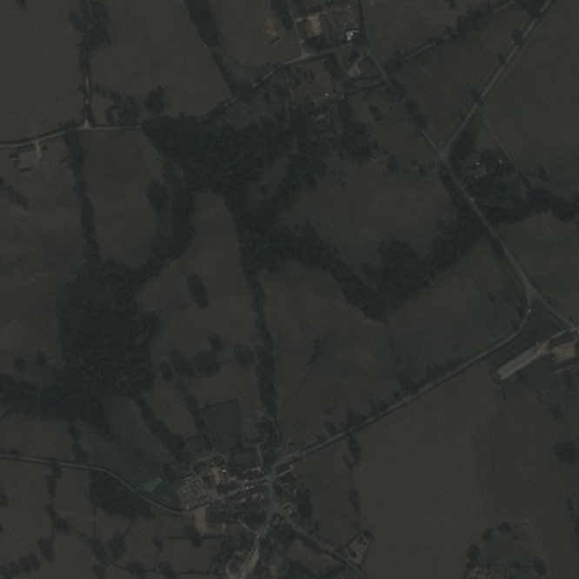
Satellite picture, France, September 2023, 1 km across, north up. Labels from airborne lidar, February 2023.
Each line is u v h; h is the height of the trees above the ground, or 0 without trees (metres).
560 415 21
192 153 24
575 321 0
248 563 0
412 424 0
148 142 0
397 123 0
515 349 0
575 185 0
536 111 0
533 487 0
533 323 0
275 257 14
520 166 0
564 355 0
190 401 21
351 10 0
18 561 0
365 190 0
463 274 0
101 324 17
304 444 0
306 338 0
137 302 0
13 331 0
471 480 0
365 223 0
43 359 17
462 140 8
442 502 0
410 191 0
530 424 0
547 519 0
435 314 0
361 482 0
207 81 0
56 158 0
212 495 0
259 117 0
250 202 0
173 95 0
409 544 0
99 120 0
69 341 21
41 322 0
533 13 14
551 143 0
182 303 0
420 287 17
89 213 16
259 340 19
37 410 25
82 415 19
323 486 0
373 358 0
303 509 19
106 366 19
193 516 0
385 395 0
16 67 0
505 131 0
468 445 0
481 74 0
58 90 0
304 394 0
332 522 0
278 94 17
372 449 0
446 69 0
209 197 0
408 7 0
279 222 0
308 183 19
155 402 0
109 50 0
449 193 15
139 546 0
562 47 0
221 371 0
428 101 0
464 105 0
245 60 0
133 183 0
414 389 13
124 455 0
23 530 0
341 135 0
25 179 0
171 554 0
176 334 0
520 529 0
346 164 0
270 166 0
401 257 12
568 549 0
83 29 21
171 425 0
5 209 0
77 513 0
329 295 0
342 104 12
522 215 15
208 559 0
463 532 0
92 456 0
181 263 0
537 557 0
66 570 0
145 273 20
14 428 0
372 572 0
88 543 0
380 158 0
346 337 0
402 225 0
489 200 16
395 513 0
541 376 0
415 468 0
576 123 0
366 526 0
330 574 13
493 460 0
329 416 0
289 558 0
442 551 0
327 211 0
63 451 0
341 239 0
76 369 30
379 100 0
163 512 0
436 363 0
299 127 14
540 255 0
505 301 0
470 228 25
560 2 0
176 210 15
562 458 19
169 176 26
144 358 16
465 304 0
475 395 0
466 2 0
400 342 0
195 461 0
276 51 0
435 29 0
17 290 0
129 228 0
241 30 0
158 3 0
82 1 21
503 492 0
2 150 0
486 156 12
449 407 0
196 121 15
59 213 0
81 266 0
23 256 0
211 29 21
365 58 9
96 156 0
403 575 0
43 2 0
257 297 15
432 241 0
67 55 0
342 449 0
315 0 0
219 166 23
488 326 0
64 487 0
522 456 0
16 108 0
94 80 0
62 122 0
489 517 0
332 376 0
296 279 0
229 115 0
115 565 0
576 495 0
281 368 0
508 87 0
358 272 0
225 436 0
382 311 18
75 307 24
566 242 0
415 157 0
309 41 13
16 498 0
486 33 0
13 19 0
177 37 0
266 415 0
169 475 7
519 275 0
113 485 11
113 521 0
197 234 0
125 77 0
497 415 0
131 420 0
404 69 0
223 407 0
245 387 0
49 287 0
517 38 15
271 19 0
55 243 0
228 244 0
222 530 0
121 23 0
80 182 6
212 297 0
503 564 0
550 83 0
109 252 0
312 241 24
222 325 0
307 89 0
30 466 0
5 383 22
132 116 14
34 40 0
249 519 6
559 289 0
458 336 0
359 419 13
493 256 0
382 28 0
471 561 14
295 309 0
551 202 10
